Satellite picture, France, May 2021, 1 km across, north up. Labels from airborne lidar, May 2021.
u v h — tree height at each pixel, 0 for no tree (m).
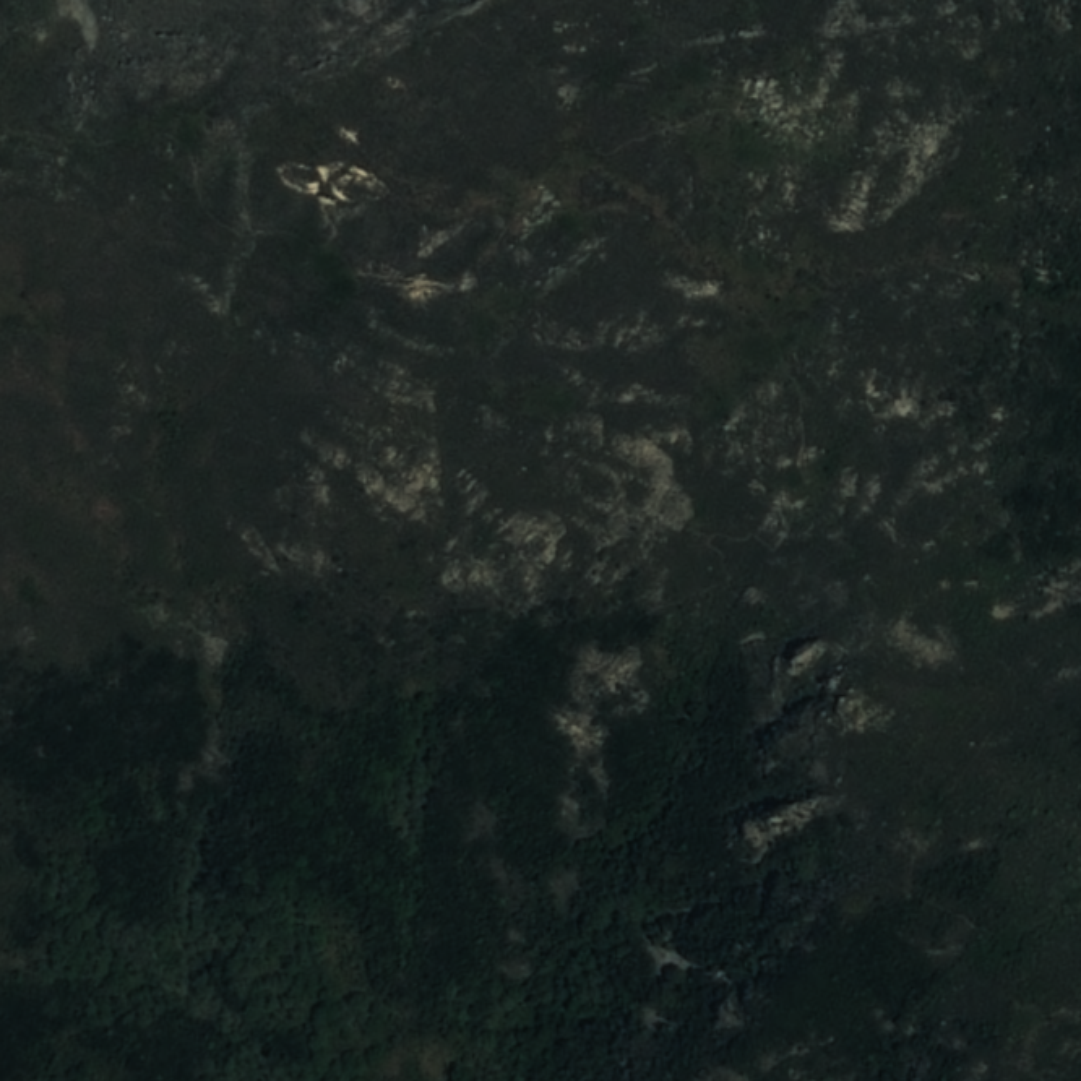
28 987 6
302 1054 10
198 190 0
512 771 8
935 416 0
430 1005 11
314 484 0
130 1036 15
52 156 0
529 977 7
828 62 0
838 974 10
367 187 0
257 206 0
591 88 0
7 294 0
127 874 8
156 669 7
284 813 14
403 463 0
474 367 0
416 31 0
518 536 0
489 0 0
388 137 0
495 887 14
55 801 7
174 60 0
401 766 13
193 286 0
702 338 0
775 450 0
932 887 9
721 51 0
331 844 10
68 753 10
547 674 7
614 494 0
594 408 0
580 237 0
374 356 0
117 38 0
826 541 0
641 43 0
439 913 9
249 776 11
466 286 0
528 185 0
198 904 23
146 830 9
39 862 10
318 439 0
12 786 6
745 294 0
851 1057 7
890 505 0
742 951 6
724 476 0
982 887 10
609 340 0
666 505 0
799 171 0
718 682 11
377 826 12
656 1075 6
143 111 0
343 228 0
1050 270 8
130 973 18
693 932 16
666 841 13
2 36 0
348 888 11
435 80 0
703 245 0
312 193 0
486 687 8
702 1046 11
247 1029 13
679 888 14
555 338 0
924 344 0
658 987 18
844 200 0
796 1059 6
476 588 0
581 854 11
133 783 9
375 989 12
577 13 0
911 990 12
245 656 7
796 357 0
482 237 0
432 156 0
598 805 8
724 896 11
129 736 7
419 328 0
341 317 0
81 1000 12
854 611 0
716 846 8
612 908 16
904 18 0
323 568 0
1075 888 7
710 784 10
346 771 9
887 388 0
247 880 17
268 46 0
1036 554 6
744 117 0
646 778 9
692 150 0
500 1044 9
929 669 0
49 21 0
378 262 0
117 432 0
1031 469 6
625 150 0
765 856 6
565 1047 20
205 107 0
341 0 0
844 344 0
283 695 11
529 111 0
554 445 0
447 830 6
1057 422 8
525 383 0
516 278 0
